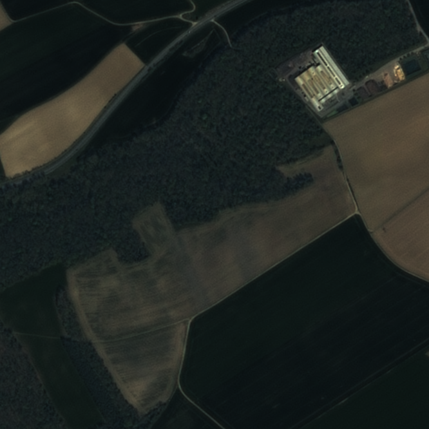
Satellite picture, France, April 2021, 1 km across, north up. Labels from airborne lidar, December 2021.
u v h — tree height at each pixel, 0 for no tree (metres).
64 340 12
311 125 17
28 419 22
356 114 0
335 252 0
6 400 18
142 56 0
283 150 15
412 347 0
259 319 0
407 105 0
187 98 21
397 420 0
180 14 0
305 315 0
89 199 24
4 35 0
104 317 0
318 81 0
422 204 0
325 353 0
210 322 0
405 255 0
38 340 0
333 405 0
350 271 0
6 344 21
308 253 0
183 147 20
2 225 26
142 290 0
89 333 0
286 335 0
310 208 0
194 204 9
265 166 26
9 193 23
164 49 0
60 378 0
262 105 10
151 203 19
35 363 0
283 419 0
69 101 0
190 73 0
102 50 0
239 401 0
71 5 0
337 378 0
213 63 22
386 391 0
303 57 0
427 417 0
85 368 14
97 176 23
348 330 0
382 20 22
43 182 15
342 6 19
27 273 21
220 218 0
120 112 0
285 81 0
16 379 20
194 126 9
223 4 0
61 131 0
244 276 0
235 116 17
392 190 0
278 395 0
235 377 0
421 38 15
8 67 0
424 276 0
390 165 0
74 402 0
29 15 0
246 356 0
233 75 22
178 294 0
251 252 0
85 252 22
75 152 0
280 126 19
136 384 0
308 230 0
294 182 13
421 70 0
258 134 13
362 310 0
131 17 0
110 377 15
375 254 0
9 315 0
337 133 0
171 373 0
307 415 0
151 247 0
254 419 0
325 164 0
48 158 0
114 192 19
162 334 0
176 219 18
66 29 0
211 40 0
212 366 0
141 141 20
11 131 0
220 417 0
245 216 0
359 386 0
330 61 0
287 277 0
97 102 0
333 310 0
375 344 0
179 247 0
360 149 0
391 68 0
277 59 17
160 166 26
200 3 0
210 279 0
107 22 0
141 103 0
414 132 0
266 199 20
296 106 12
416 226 0
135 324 0
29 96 0
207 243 0
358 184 0
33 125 0
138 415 19
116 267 0
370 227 0
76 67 0
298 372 0
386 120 0
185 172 29
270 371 0
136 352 0
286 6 0
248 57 18
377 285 0
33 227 22
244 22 0
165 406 11
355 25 9
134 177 20
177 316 0
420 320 0
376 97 0
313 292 0
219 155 22
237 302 0
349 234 0
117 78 0
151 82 0
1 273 24
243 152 6
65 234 22
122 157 7
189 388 0
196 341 0
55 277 0
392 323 0
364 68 14
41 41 0
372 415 0
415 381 0
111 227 20
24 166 0
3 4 0
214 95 25
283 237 0
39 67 0
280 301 0
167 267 0
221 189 21
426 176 0
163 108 0
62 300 17
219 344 0
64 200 27
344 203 0
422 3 0
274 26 14
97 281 0
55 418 16
